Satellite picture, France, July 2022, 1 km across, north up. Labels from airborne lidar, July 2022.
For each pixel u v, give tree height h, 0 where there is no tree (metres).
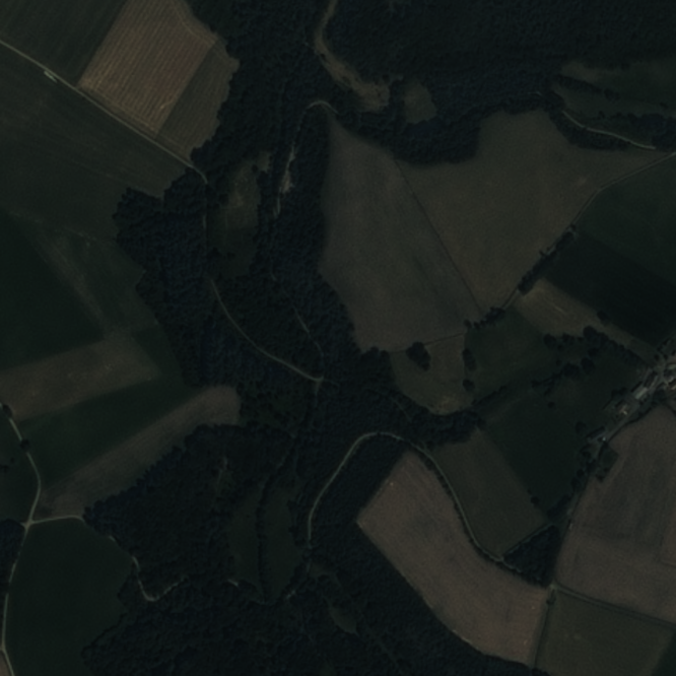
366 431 12
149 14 0
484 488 0
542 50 17
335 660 20
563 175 0
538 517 0
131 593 17
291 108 14
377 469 11
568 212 0
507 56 25
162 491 28
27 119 0
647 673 0
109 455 0
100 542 0
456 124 13
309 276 13
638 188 0
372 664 13
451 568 0
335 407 10
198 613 25
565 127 10
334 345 17
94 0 0
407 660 13
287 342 10
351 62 7
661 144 17
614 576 0
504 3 18
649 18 25
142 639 33
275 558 0
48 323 0
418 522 0
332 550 13
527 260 0
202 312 7
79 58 0
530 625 0
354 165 0
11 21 0
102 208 0
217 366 30
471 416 13
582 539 0
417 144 12
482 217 0
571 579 0
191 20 0
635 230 0
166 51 0
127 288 0
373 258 0
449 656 7
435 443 7
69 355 0
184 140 0
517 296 0
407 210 0
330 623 28
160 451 0
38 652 0
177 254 44
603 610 0
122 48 0
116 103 0
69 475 0
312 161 12
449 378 0
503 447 0
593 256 0
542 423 0
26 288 0
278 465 10
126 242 18
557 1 23
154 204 22
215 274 25
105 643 7
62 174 0
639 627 0
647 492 0
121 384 0
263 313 11
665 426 0
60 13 0
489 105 7
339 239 0
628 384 0
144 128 0
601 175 0
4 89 0
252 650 18
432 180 0
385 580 13
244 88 9
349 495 7
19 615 0
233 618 23
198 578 30
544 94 13
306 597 27
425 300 0
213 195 29
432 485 0
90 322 0
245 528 0
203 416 0
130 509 27
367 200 0
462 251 0
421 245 0
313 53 19
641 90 0
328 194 0
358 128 10
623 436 0
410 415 9
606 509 0
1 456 0
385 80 11
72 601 0
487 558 10
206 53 0
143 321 0
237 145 21
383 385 6
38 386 0
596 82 0
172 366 0
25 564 0
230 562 24
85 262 0
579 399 0
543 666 0
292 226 12
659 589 0
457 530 0
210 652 24
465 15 11
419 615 12
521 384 0
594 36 20
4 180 0
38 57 0
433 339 0
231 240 0
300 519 9
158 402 0
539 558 16
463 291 0
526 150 0
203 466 21
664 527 0
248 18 16
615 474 0
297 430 8
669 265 0
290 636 8
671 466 0
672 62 0
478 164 0
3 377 0
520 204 0
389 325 0
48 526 0
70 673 0
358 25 24
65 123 0
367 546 10
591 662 0
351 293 0
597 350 12
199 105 0
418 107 0
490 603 0
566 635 0
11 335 0
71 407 0
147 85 0
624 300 0
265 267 19
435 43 16
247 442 27
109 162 0
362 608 14
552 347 13
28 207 0
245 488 22
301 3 8
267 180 22
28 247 0
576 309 0
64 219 0
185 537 26
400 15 12
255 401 13
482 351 0
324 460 12
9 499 0
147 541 24
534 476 0
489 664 15
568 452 0
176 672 30
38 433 0
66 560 0
